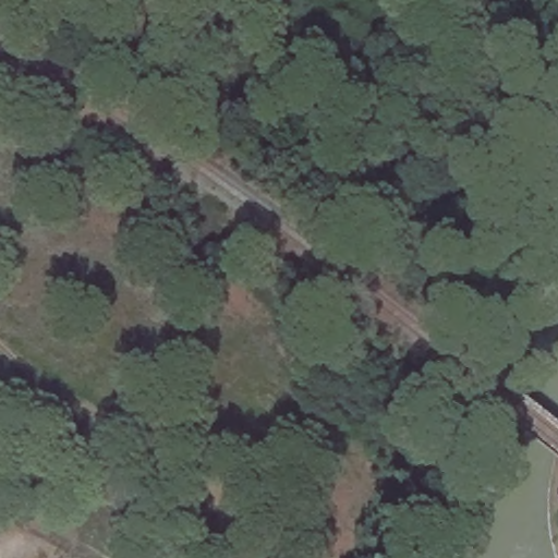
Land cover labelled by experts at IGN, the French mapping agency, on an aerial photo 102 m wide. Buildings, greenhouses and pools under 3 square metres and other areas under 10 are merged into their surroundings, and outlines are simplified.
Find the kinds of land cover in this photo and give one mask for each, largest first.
<instances>
[{"label":"deciduous trees","instance_id":"1","mask_svg":"<svg viewBox=\"0 0 558 558\"><path fill-rule=\"evenodd\" d=\"M81 107L76 94L68 96L59 83L50 81L48 76L11 78L9 68L0 63V150L15 155L11 170L15 183L9 185L7 207L0 209V299L11 294L26 277V248L22 246V229L78 235L87 229L83 214H89L92 205H105L107 209H116L120 214L118 231L113 238L116 259L122 262L118 268L109 272L102 264H96V268L87 266V257L72 253L57 255L50 262V277L46 279V296L50 299V303L37 301L31 307H7L0 303V338L4 342H9L11 338H20L33 355H39L46 347H52L54 342H63L70 347L96 344L116 323L118 286H126L131 292L142 294L166 320V325L159 329L131 327L122 331L120 340L116 342V349L122 351L118 357V368L109 375L107 381L111 395H107L98 405L85 399L78 403L61 381L37 375L24 362L0 355V532L37 527L44 534H76L78 545L92 543L94 547L116 558H327L338 534L333 490L336 484L342 480V456L347 453L351 440L360 442L364 447V453L371 458L377 493L366 501V506H362V512L355 521V547L342 554L340 558H477L486 551L488 532L495 521V506L504 501L508 495H512L527 477V458L523 447L536 438V434L523 399L506 386L508 377L514 371L512 364L504 366L495 357L480 360L477 347L469 349V344L462 342V338H440L445 327L440 320V312L429 307L427 342L434 351L440 353L438 360L427 362L421 371L410 373L408 377L399 373V366L401 357L408 355L412 344L392 347H386V340L379 336L377 320L375 318H366V329H355V325L351 323L353 305L349 296L355 294V286L351 281H338V275L333 272L301 281L281 257L275 255V238L255 231L248 225H242L235 233L220 229L216 233H207L201 205L192 203V196L181 194L170 183L168 174H159L155 179L148 163L140 157L137 150L100 155L102 144L96 140L100 131L83 129V118L78 111ZM231 286H240L244 292H253L257 296V301L270 312V327L277 331H286L290 336L294 351L283 373L286 397L279 399L272 405V410L259 416L246 414L238 405L225 408L220 403V390H216V347L220 344L218 329L227 323L229 310L225 307V303L229 301ZM218 126L205 129L201 137L183 142L181 146L166 144L163 148H150L155 157L172 161L174 157H181L209 161L220 153ZM225 153L231 159V168L244 181H253L257 172L253 166H248L242 157H238L231 150ZM279 205L286 207V211L292 218V225H296V231L303 233L310 242L307 251L318 259L347 266V259L338 251V244L329 240L336 233V227L325 225L320 216L312 214L314 203L307 201V194L292 192L279 198Z\"/></svg>","mask_w":558,"mask_h":558},{"label":"coniferous trees","instance_id":"2","mask_svg":"<svg viewBox=\"0 0 558 558\"><path fill-rule=\"evenodd\" d=\"M0 46L2 50L22 61H50L59 68L72 70L76 94L81 107L78 111L83 118L96 116L98 120H113L122 124L126 133H131L135 140L144 142L150 148H163L166 144L181 146L183 142L201 137L205 129L218 126L220 153H225L231 150L238 157H242L248 166H253L257 172L253 181L266 194H275L279 198L292 192L307 194V201L314 203L312 214L320 216L325 225L336 227V233L329 240L338 244V251L347 259V266L379 277L397 279L414 277L419 281L416 294L429 307L440 312V320L445 327L440 338H462V342L469 344V349L477 347L480 360L495 357L504 366L512 364L514 371L508 377L506 386L523 399L532 397V392L538 390L558 403V0H0Z\"/></svg>","mask_w":558,"mask_h":558},{"label":"herbaceous vegetation","instance_id":"3","mask_svg":"<svg viewBox=\"0 0 558 558\"><path fill-rule=\"evenodd\" d=\"M83 129L100 131L96 140L102 144L100 155L137 150L140 157L148 163L155 179L159 174H168L170 183L181 194L192 196V203L201 205L207 233H216L220 229L235 233L242 225H248L255 231L275 238V255L281 257L301 281L333 272L338 275V281H351L355 286V294L349 296L353 305L351 323L355 325V329H366V318H375L377 307L373 299V288H379V277L347 266L318 259L307 251L301 255L283 253L281 246H286V235L281 233V222L275 211L259 207L257 203H244L235 211L216 196L198 194L196 183L181 181L179 170L172 166V161L155 157L150 148L144 142L135 140L131 133H126L122 124L113 120H98L96 116L83 118ZM15 155L0 150V209L7 207L9 185L15 183L11 170ZM87 229L78 235L22 229V246L26 248V277L11 294L0 299V303L7 307H31L37 301L50 303V299L46 296V279L50 277V262L57 255L72 253L87 257V266L96 268V264H102L109 272L118 268L122 262L116 259L113 238L118 231L120 214L116 209H107L105 205H92L89 214H83ZM419 281L414 277L397 279V292L405 301L421 299L416 294ZM116 323L96 344L70 347L63 342H54L52 347H46L39 355H33L20 338H11L9 342H4L0 338V355L24 362L37 375L61 381L78 403L85 399L98 405L107 395H111L107 381L109 375L118 368V357L122 351L116 349V342L120 340L122 331L131 327L159 329L166 325V320L142 294L131 292L126 286H118ZM225 307L229 310L227 323L218 329L220 344L216 347V390H220V403L225 408L238 405L246 414L259 416L272 410V405L279 399L286 397L283 373L294 351L290 336L286 331H277L270 327V312L257 301V296L253 292H244L240 286H231L229 301L225 303ZM379 336L386 340V347H392L395 342H399L401 331L388 329L384 320H377ZM440 353L434 351L427 342L416 340L412 344L408 355L401 357L399 366V373L408 377L410 373L421 371L427 362L438 360ZM536 403H541L547 412H551L558 419V403L538 390L532 392V397ZM371 458L364 453V447L360 442L351 440L347 453L342 456V480L336 484L333 490L338 534L327 558H340L342 554L355 547V521L362 512V506H366V501L377 493ZM547 536L554 558H558V512L547 517ZM0 558H116L94 547L92 543L78 545L76 534H44L37 527L0 532Z\"/></svg>","mask_w":558,"mask_h":558},{"label":"pervious surface","instance_id":"4","mask_svg":"<svg viewBox=\"0 0 558 558\"><path fill-rule=\"evenodd\" d=\"M0 63L9 68L11 78L48 76L50 81L59 83L68 96L76 94L72 70L59 68L50 61H22L2 50L0 46ZM172 166L179 170L181 181L196 183L198 194L216 196L235 211L244 203H257L259 207L275 211L281 222V233L286 235V246H281L283 253L301 255L307 251L310 242L303 233L296 231V225H292V218L286 211V207L279 205V198L275 194H266L253 181H244L231 168V159L225 153H220L209 161L181 157H174L172 161ZM373 299L377 307L375 318L377 320H384L388 329L401 331L399 342H395L392 347L412 344L416 340L427 342L429 307L421 299L405 301L397 292V279L379 277V288H373ZM536 434L549 445L551 451V469L543 473V477L547 480V517L558 512V419L551 412H547L541 403H536L532 397L523 399Z\"/></svg>","mask_w":558,"mask_h":558},{"label":"water","instance_id":"5","mask_svg":"<svg viewBox=\"0 0 558 558\"><path fill-rule=\"evenodd\" d=\"M527 458V477L512 495H508L504 501L495 506V521L488 532L486 551L477 558H554L547 536V480L543 477V473L551 469V451L549 445L536 434V438L523 447Z\"/></svg>","mask_w":558,"mask_h":558}]
</instances>
